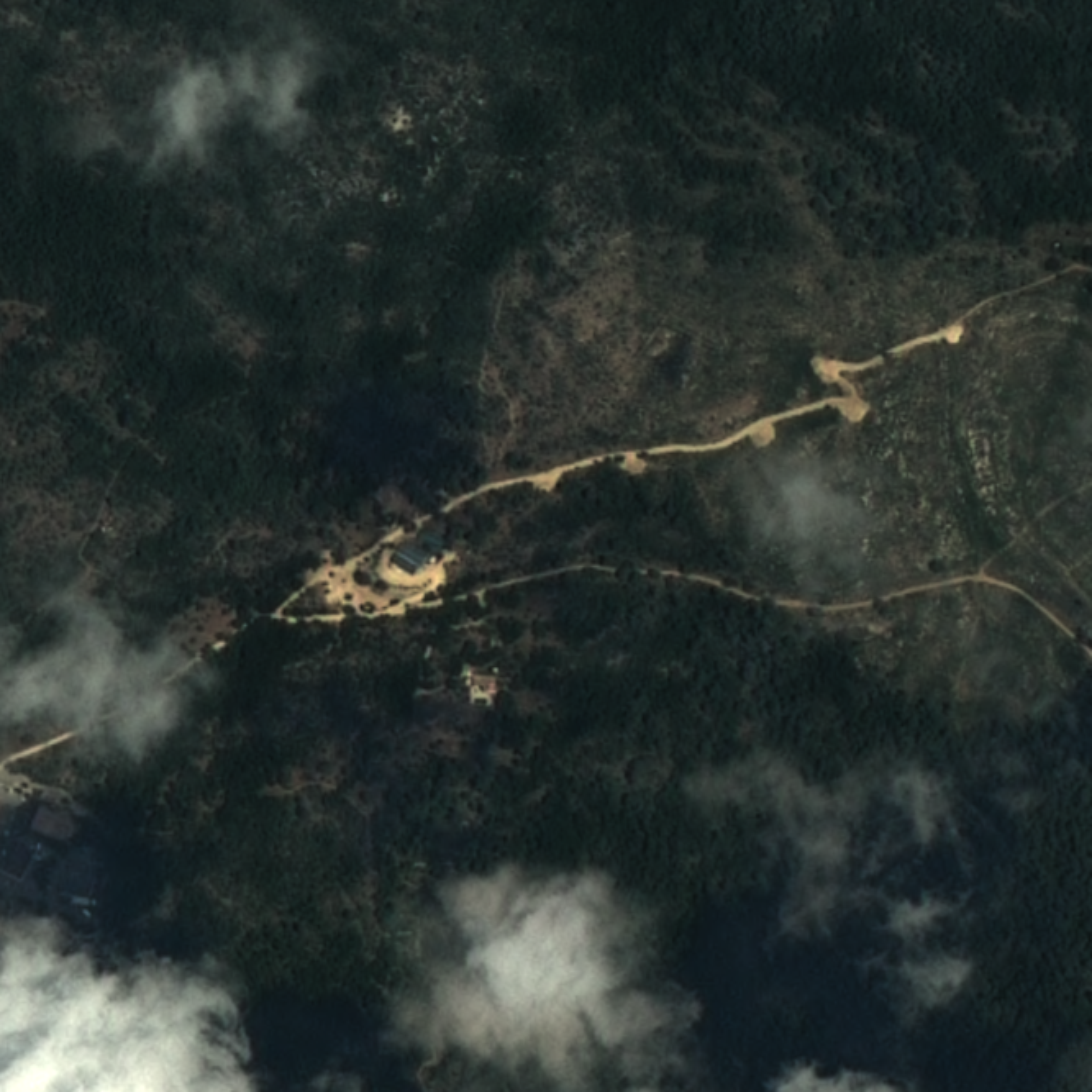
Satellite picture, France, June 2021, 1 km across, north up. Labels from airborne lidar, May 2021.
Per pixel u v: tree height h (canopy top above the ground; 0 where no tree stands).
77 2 12
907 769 15
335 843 11
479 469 13
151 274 8
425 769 8
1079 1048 6
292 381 11
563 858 16
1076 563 0
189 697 13
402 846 6
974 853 11
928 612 0
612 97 7
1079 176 12
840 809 15
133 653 7
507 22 11
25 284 7
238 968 6
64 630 9
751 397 0
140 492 5
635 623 13
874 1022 18
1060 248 7
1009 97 10
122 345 8
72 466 9
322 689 7
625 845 6
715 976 19
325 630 8
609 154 5
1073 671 0
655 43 8
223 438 7
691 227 7
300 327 7
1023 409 0
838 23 12
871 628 0
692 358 0
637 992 14
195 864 10
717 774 8
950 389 0
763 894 16
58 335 7
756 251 6
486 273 10
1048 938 13
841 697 10
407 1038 8
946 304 0
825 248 0
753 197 7
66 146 6
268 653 12
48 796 0
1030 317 0
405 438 8
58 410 11
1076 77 15
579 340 0
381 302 8
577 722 11
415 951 0
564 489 14
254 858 7
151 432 7
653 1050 11
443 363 15
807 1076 10
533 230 13
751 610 9
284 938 5
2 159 7
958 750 16
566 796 14
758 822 9
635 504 6
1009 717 0
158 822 13
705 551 8
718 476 0
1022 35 14
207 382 11
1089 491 0
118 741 7
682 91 8
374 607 7
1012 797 12
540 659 13
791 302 0
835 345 0
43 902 10
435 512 12
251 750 9
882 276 0
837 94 12
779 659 18
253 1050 6
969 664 0
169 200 6
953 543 0
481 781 18
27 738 8
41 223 12
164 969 10
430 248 8
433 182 7
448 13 6
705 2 13
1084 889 14
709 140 6
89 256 9
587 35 8
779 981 17
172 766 10
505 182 6
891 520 0
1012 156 14
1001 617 0
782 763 11
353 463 9
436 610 9
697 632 18
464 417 13
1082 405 0
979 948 11
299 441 8
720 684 14
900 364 0
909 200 15
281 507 8
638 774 15
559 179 5
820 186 12
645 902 9
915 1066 9
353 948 10
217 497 12
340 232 7
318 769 10
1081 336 0
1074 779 12
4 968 0
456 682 8
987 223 11
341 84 6
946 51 18
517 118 11
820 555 0
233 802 11
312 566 10
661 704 10
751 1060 13
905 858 15
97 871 13
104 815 13
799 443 0
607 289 0
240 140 7
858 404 0
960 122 13
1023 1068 16
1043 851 14
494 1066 16
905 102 9
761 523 0
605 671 7
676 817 12
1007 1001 16
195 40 6
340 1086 13
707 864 9
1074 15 15
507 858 12
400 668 9
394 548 8
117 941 14
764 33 11
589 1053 15
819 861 13
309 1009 7
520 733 14
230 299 6
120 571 6
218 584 9
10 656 7
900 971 16
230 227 6
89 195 9
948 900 11
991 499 0
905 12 15
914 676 0
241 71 7
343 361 5
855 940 20
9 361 15
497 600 6
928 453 0
